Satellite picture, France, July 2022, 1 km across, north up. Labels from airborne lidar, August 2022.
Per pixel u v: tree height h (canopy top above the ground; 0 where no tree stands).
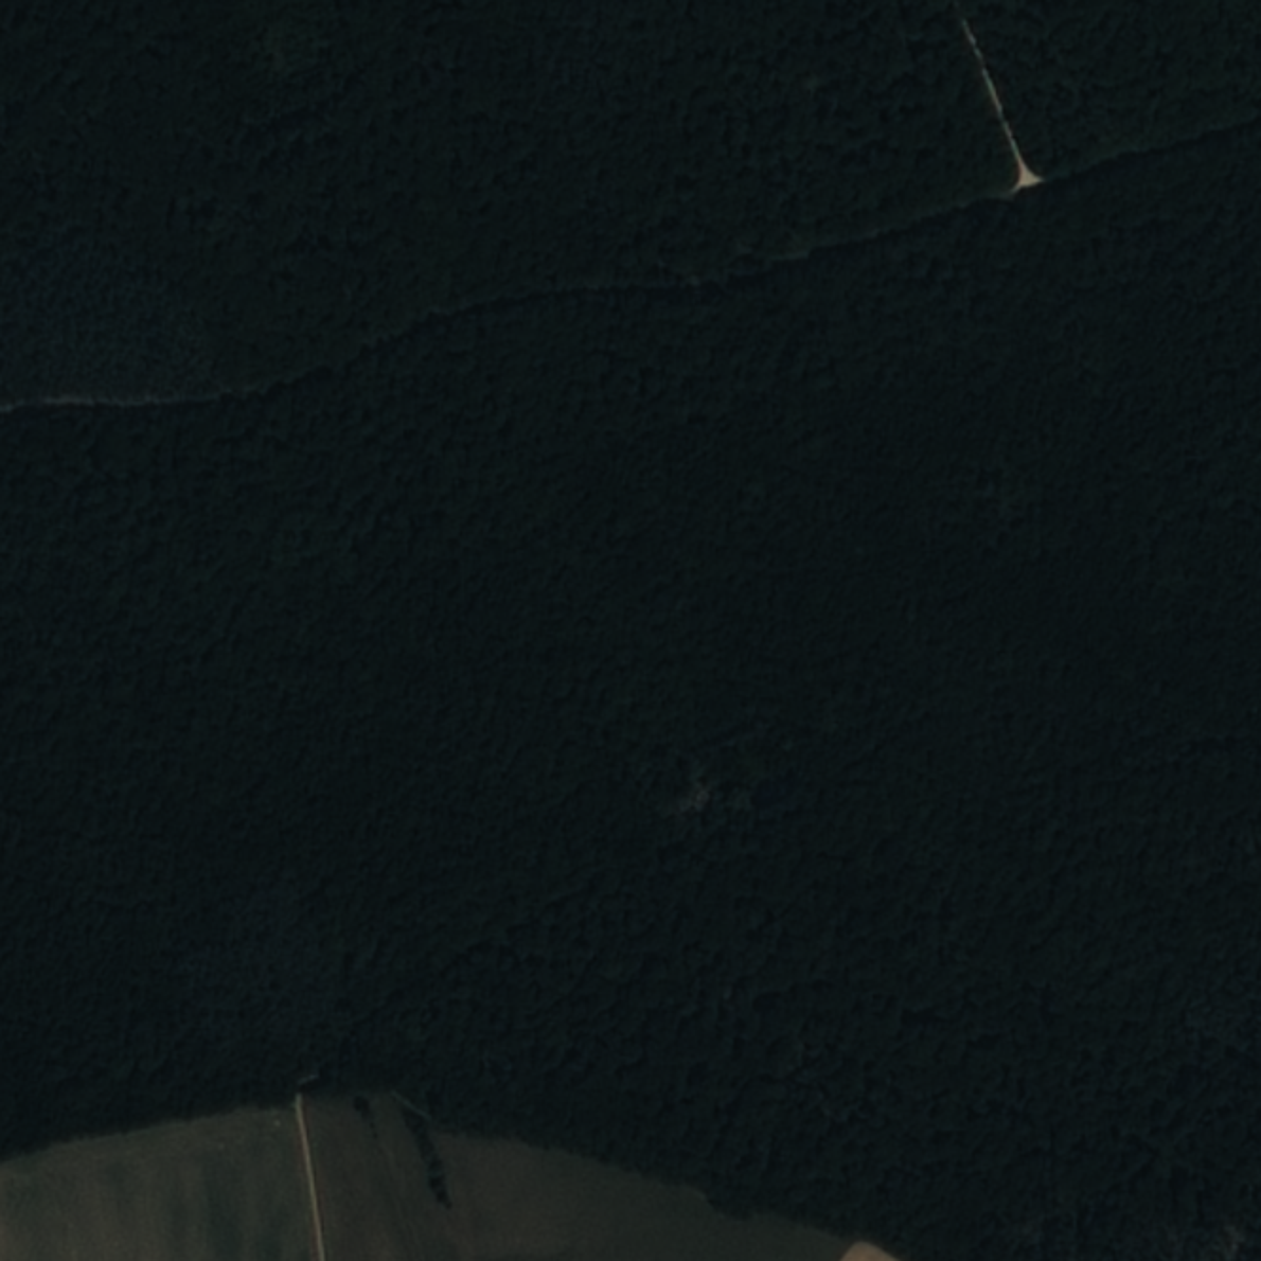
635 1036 26
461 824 20
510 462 23
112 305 31
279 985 24
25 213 22
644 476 21
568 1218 0
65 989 19
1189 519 19
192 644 18
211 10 19
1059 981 21
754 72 20
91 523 26
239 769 15
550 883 19
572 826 22
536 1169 0
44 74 23
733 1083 21
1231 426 7
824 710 20
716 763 24
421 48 21
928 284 23
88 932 20
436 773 20
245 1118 0
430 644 19
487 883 20
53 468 26
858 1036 19
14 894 16
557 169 20
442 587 20
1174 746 21
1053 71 19
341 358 19
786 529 20
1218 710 22
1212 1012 25
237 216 16
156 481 25
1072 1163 24
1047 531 22
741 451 18
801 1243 0
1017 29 18
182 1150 0
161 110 28
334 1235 0
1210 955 20
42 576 20
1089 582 22
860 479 19
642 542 18
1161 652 21
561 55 27
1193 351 22
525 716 23
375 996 20
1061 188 20
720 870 25
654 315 22
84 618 20
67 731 23
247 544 18
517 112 25
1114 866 21
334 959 16
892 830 12
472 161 23
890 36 20
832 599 19
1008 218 19
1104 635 21
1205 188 20
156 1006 20
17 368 25
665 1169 18
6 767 16
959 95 22
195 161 26
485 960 19
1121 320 22
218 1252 0
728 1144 25
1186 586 16
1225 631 21
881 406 21
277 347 17
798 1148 19
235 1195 0
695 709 21
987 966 17
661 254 9
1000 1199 20
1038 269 23
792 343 18
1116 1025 16
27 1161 0
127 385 23
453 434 21
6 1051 23
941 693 20
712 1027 21
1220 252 21
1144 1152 19
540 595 23
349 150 20
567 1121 23
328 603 18
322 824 20
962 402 19
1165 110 19
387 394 19
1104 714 17
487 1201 0
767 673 18
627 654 16
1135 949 18
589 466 20
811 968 22
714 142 23
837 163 22
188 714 19
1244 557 16
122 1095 17
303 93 8
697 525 18
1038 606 20
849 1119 25
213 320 18
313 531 23
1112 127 19
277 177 24
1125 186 23
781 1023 23
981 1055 21
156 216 21
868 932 21
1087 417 15
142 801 20
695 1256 0
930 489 21
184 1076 18
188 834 20
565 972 21
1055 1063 17
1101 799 19
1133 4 19
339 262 24
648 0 24
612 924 22
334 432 21
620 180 21
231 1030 23
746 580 17
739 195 20
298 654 17
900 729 22
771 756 9
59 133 26
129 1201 0
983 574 20
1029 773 19
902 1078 22
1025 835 19
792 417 18
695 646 16
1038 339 18
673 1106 27
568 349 22
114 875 16
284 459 23
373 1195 0
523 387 20
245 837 19
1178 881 20
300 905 20
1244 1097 21
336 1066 19
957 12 14
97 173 25
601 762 13
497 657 20
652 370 26
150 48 26
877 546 20
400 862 21
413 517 15
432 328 19
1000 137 19
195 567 23
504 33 26
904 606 18
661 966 26
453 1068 18
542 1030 21
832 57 26
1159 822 17
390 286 23
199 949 23
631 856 21
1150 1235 24
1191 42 19
